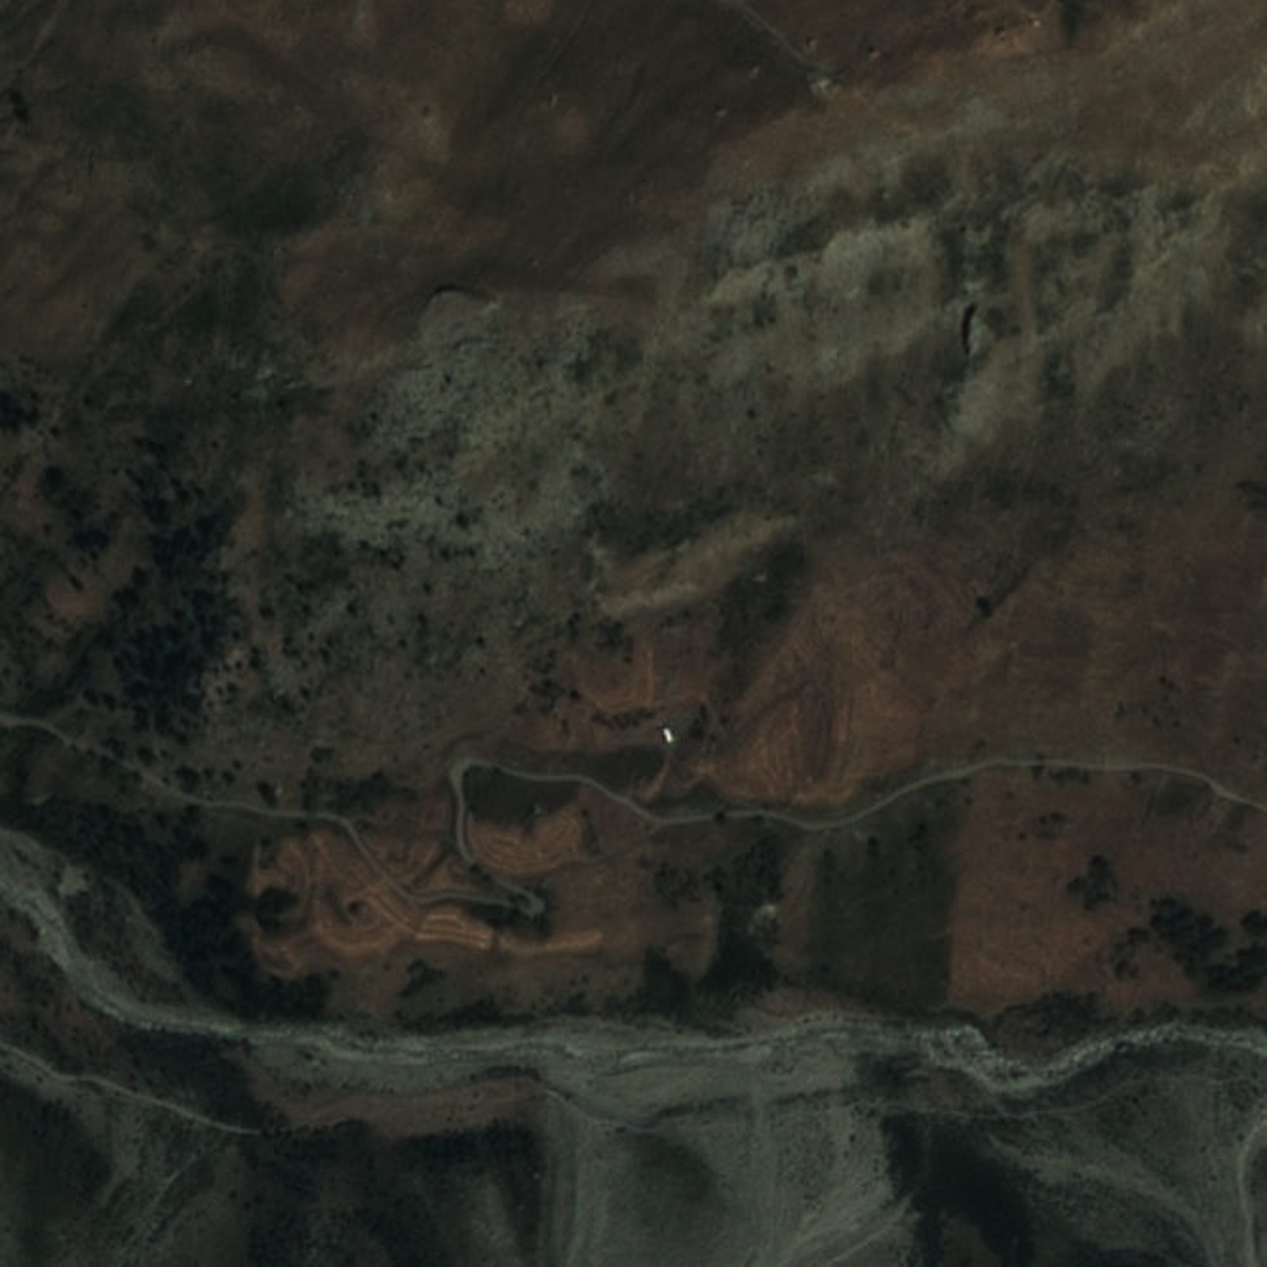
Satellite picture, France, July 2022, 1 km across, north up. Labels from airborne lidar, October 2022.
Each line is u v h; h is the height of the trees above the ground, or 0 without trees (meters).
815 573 0
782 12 0
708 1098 0
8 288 0
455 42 0
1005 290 0
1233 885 0
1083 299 0
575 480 0
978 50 0
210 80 0
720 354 0
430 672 0
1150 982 0
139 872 15
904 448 0
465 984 0
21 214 0
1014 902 0
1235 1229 0
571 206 0
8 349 0
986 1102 0
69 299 0
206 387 0
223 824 0
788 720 0
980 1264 0
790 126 0
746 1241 0
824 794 0
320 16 0
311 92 0
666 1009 0
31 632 8
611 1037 0
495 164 0
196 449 0
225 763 0
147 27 0
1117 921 0
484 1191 0
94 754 9
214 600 13
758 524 0
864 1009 0
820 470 0
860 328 0
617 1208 0
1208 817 0
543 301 0
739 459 0
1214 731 0
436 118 0
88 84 0
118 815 8
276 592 0
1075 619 0
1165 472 0
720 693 0
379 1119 0
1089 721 0
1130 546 0
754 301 0
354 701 0
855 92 0
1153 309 0
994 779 0
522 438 0
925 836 8
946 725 0
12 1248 0
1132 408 0
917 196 0
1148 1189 0
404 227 0
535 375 0
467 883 0
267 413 0
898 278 0
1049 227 0
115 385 0
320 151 0
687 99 0
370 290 0
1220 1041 0
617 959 0
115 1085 0
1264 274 0
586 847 0
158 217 0
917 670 0
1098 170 0
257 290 0
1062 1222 0
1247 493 0
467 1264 0
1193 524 0
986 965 0
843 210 0
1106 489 0
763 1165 0
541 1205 0
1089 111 0
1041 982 0
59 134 0
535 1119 0
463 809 0
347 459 0
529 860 0
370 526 0
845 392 0
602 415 0
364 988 0
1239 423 0
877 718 0
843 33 0
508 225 0
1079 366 0
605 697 0
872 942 0
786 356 0
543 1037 0
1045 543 0
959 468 0
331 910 0
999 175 0
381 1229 6
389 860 0
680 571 0
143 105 0
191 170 0
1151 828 0
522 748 0
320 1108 0
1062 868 0
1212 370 0
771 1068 0
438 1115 0
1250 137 0
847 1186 0
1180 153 0
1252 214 0
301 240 0
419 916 0
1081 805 0
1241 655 0
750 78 0
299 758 0
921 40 0
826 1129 0
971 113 0
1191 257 0
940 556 0
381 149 0
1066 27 0
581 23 0
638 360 0
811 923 0
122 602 15
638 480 0
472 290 0
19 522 0
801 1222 0
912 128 0
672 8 0
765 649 0
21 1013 0
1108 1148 0
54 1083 0
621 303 0
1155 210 0
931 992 0
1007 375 0
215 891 12
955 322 0
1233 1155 0
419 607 0
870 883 0
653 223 0
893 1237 0
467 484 0
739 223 0
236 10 0
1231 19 0
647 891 0
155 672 21
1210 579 0
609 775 0
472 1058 0
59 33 0
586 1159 0
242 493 0
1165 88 0
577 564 0
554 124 0
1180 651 0
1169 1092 0
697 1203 0
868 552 0
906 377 0
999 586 0
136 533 0
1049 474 0
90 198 0
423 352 0
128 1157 0
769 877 6
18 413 14
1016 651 0
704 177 0
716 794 0
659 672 0
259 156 0
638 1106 0
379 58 0
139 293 0
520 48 0
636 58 0
